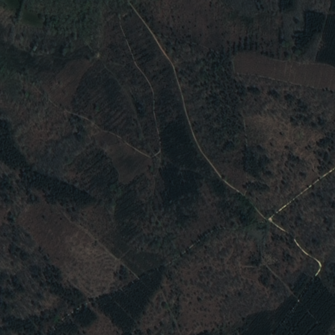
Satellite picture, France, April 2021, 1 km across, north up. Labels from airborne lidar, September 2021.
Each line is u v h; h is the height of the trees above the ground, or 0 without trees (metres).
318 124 15
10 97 8
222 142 12
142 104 23
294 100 20
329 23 8
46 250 0
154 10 7
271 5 10
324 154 10
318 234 11
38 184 23
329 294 17
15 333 23
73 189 11
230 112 10
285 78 0
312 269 10
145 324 9
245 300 7
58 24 26
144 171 0
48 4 19
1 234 16
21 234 0
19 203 16
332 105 8
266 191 12
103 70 6
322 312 15
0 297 27
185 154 8
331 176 11
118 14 10
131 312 18
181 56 10
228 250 8
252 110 16
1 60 7
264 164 24
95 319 20
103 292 0
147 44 6
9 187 18
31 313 7
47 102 16
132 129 8
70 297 19
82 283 0
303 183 10
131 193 7
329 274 9
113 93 8
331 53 6
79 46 8
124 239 6
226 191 8
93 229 10
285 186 20
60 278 16
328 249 15
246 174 22
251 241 11
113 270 0
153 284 15
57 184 22
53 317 19
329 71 0
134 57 6
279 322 7
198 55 15
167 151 9
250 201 16
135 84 6
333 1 8
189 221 12
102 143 0
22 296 18
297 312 17
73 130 21
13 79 7
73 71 0
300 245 6
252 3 9
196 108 6
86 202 23
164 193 9
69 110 17
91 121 18
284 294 9
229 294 9
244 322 13
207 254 12
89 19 18
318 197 13
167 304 13
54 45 16
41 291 15
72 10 21
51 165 14
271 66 0
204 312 9
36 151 7
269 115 17
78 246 0
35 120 15
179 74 15
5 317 11
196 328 8
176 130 9
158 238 6
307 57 16
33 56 17
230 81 22
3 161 22
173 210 8
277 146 0
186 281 6
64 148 12
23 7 21
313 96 9
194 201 7
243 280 10
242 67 0
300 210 13
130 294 15
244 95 22
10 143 22
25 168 21
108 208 18
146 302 16
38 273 19
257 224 12
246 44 10
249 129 17
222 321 6
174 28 6
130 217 6
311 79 0
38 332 11
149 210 12
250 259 11
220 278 8
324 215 11
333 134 5
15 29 18
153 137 9
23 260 20
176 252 17
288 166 18
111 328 7
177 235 15
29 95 17
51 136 17
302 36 18
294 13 10
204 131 10
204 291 10
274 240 18
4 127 20
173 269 11
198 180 9
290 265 9
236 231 8
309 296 17
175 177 11
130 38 7
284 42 14
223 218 9
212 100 19
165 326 11
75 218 14
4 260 17
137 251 9
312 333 17
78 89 7
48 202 26
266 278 7
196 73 12
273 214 12
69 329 20
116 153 0
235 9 6
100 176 6
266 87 7
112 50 6
